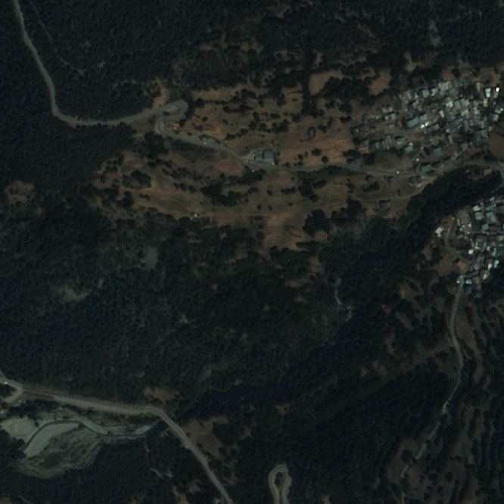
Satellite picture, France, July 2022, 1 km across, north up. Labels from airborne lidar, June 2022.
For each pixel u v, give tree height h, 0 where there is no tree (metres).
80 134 12
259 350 17
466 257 7
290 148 0
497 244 0
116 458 17
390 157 0
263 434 12
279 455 8
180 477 18
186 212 0
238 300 12
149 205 0
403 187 0
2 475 12
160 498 19
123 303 12
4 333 20
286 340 15
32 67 12
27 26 10
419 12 21
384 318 22
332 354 34
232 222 0
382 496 14
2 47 22
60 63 17
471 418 0
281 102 9
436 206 41
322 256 8
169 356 16
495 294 20
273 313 18
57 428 0
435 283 0
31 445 0
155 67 21
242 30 17
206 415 25
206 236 11
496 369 18
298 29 18
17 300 24
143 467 17
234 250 14
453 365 0
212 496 20
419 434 14
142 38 19
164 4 16
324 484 13
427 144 0
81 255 10
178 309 17
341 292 17
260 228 9
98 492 23
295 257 13
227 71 11
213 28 17
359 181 0
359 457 25
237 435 20
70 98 12
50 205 16
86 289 11
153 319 13
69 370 17
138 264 8
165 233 9
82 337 25
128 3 15
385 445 18
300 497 11
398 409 23
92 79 13
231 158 0
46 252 17
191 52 13
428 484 0
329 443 25
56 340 19
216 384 22
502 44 20
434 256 7
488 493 15
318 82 0
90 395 7
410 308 20
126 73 20
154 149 16
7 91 17
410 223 8
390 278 15
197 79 11
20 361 19
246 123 0
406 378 17
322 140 0
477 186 23
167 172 10
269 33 25
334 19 16
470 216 0
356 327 28
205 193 20
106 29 16
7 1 17
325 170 9
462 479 0
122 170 0
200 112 0
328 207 0
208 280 9
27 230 16
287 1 16
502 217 6
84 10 9
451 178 16
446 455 16
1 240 9
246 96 16
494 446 13
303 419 10
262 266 9
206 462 0
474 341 0
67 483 15
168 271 6
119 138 17
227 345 11
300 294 8
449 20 9
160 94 7
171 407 12
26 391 0
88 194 13
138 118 0
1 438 17
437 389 23
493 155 9
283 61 7
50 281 20
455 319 0
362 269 22
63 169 12
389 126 0
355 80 7
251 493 12
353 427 14
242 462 19
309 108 11
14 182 8
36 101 18
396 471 0
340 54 16
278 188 0
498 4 8
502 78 6
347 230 11
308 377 22
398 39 23
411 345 13
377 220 9
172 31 11
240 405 17
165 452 15
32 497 19
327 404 20
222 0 20
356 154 15
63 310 12
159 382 20
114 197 12
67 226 21
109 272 28
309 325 13
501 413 20
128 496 20
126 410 0
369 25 28
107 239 13
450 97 0
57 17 19
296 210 0
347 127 0
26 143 17
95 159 17
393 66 8
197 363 12
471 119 0
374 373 10
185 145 10
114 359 9
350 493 21
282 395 24
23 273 13
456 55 19
